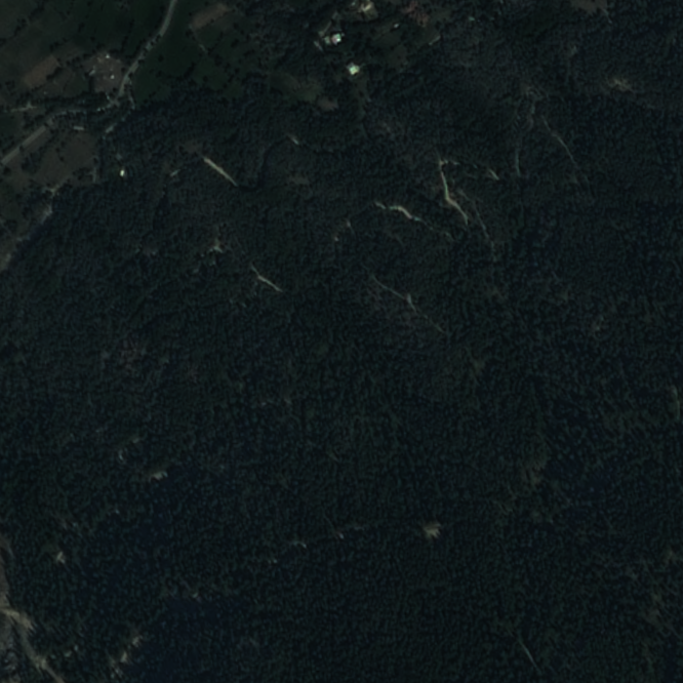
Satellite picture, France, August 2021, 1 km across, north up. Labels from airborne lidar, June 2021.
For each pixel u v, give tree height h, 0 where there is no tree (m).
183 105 18
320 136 19
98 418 10
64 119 6
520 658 19
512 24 13
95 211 13
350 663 17
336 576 19
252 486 12
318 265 12
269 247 20
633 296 9
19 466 27
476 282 19
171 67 0
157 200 18
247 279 13
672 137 15
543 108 10
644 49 17
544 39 14
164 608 22
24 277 15
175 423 9
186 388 14
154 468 16
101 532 10
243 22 0
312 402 15
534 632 28
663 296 11
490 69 16
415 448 19
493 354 18
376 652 22
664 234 21
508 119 14
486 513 16
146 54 8
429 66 14
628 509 18
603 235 14
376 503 12
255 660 13
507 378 17
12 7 0
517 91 11
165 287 17
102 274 15
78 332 16
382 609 17
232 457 12
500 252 13
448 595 27
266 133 10
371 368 14
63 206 16
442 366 12
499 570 15
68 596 13
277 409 8
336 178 11
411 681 19
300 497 12
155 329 17
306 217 16
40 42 0
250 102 12
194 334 13
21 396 11
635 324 19
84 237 11
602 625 21
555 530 24
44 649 14
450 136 19
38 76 0
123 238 17
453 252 18
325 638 16
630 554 11
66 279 10
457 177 7
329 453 18
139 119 22
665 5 16
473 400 24
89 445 11
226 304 10
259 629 14
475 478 11
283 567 15
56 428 21
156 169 10
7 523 12
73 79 0
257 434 9
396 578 23
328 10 13
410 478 13
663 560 21
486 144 8
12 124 0
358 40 10
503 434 16
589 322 9
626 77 6
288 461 12
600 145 13
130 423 11
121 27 0
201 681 9
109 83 0
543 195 8
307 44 14
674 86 14
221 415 14
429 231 16
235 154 18
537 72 15
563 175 20
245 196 20
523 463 12
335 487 19
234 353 15
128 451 7
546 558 16
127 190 14
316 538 16
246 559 22
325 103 0
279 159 12
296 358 16
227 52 0
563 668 22
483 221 7
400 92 15
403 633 16
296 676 11
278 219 14
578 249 16
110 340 15
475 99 16
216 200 8
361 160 17
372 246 17
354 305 13
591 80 12
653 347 16
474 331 15
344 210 12
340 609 12
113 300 15
